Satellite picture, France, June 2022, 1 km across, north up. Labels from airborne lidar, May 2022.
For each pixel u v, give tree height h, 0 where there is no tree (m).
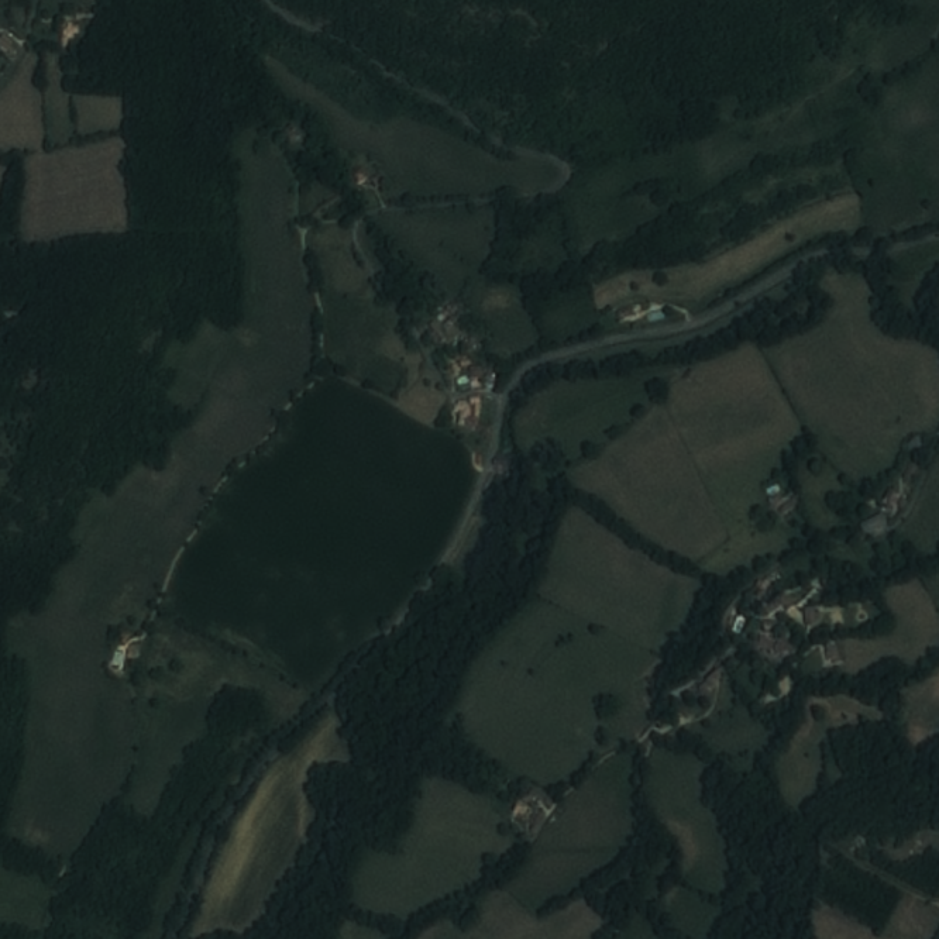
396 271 20
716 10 12
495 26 8
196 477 0
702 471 0
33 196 0
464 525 0
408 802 12
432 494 0
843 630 17
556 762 0
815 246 10
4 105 0
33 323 19
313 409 0
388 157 0
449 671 20
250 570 0
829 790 16
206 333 0
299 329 0
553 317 0
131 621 11
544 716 0
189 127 17
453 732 13
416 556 0
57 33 8
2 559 11
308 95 0
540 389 29
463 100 9
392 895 0
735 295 14
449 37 8
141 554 0
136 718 0
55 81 0
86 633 0
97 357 13
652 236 13
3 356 15
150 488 0
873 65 0
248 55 16
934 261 0
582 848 0
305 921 28
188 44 9
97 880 20
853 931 0
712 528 0
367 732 17
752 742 0
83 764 0
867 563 0
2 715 12
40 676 0
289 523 0
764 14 13
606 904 15
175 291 11
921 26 0
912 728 0
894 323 23
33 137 0
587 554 0
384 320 0
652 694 14
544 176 0
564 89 10
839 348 0
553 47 11
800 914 14
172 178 16
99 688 0
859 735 15
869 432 0
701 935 0
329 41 14
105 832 17
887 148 0
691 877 0
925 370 0
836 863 5
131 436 14
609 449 0
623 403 0
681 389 0
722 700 0
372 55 12
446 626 21
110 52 13
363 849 18
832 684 17
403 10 8
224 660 0
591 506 18
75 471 8
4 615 15
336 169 22
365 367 0
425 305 7
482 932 0
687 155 0
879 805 18
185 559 0
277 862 0
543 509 34
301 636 0
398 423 0
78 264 17
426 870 0
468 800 0
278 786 0
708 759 16
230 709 15
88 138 8
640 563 0
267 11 10
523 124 10
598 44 7
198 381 0
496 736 0
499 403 0
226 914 0
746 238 7
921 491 0
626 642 0
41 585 16
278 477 0
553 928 0
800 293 17
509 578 34
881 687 21
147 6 14
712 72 16
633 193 6
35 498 8
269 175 0
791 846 27
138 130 17
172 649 0
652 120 10
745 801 20
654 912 17
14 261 16
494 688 0
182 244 14
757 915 19
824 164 8
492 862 13
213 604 0
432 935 0
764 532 0
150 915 21
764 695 7
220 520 0
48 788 0
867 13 7
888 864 10
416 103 13
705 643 20
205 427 0
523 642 0
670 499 0
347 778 26
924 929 0
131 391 14
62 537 16
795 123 0
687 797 0
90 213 0
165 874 10
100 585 0
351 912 16
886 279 14
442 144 0
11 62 0
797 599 0
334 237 0
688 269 0
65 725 0
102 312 12
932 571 9
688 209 10
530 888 0
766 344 10
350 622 0
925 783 26
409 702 20
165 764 0
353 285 0
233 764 18
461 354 8
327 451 0
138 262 14
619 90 9
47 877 11
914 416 0
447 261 0
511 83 12
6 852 17
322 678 0
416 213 6
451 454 0
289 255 0
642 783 7
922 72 10
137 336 7
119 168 7
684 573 13
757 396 0
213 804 18
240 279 13
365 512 0
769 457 0
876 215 0
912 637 0
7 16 7
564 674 0
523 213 14
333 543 0
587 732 0
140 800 0
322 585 0
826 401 0
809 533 19
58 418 14
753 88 11
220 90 24
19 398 12
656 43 15
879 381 0
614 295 0
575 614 0
